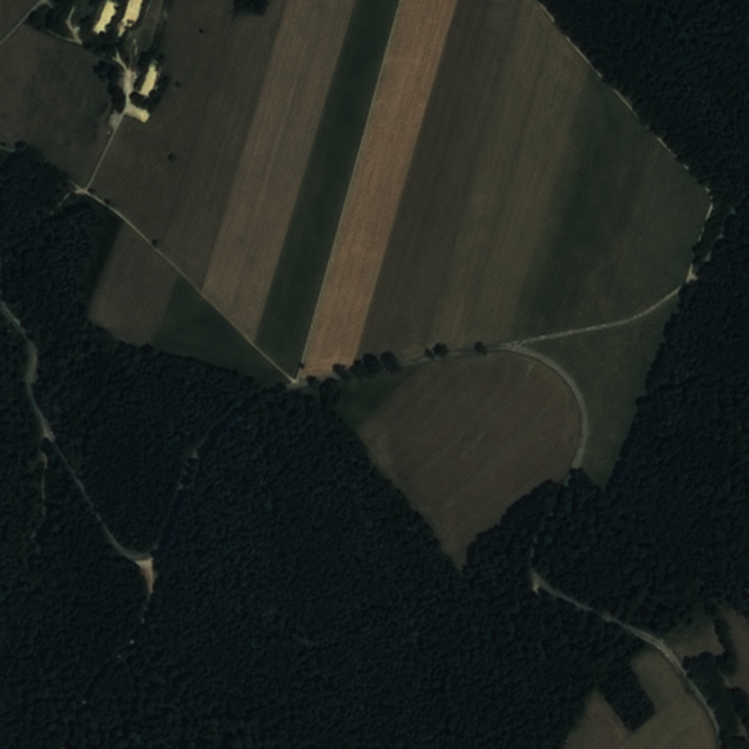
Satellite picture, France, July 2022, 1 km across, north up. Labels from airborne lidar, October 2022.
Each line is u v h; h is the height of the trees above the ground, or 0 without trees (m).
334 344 0
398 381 0
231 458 27
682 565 24
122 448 21
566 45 0
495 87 0
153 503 21
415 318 0
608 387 0
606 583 26
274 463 27
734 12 24
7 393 27
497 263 0
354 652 27
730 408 28
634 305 0
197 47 0
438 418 0
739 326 30
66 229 24
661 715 0
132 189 0
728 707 20
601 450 0
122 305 0
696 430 24
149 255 0
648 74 8
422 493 0
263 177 0
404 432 0
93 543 28
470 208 0
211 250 0
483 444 0
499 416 0
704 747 0
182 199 0
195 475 29
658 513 29
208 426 26
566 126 0
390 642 27
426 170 0
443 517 0
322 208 0
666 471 31
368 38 0
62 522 29
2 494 27
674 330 21
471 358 0
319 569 24
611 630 30
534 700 7
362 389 0
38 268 22
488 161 0
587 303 0
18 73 0
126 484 20
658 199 0
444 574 23
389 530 22
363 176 0
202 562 19
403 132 0
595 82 0
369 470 21
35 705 26
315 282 0
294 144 0
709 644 0
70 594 24
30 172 24
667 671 0
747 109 16
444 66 0
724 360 33
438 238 0
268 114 0
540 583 0
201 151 0
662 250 0
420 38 0
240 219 0
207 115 0
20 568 31
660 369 19
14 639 26
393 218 0
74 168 0
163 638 21
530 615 29
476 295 0
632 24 9
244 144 0
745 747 15
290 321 0
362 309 0
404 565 27
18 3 0
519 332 0
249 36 0
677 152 13
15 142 0
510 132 0
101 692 19
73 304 25
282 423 26
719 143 15
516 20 0
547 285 0
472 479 0
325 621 24
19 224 24
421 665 20
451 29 0
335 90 0
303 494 28
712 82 19
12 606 28
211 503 27
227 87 0
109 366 14
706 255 12
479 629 29
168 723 30
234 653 28
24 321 20
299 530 29
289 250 0
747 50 22
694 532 29
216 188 0
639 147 0
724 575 24
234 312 0
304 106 0
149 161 0
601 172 0
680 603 27
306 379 0
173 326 0
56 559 26
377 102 0
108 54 13
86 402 12
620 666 24
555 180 0
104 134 0
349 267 0
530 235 0
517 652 26
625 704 23
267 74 0
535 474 0
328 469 26
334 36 0
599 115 0
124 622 25
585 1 13
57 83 0
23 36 0
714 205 6
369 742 28
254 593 27
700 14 26
